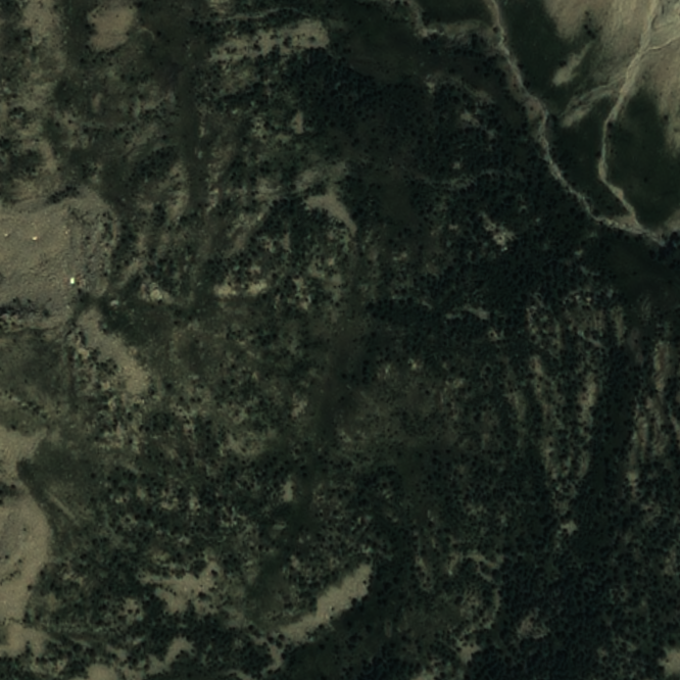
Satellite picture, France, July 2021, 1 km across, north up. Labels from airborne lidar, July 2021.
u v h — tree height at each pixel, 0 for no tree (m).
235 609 0
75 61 0
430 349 6
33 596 0
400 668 15
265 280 0
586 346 10
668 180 0
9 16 0
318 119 6
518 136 6
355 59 0
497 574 20
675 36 0
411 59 0
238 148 0
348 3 0
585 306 11
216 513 9
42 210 0
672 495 13
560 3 0
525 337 6
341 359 0
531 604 10
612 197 0
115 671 0
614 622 7
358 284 0
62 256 0
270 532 0
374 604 0
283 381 0
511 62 0
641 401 9
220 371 0
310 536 0
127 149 0
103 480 0
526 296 18
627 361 15
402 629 0
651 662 19
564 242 10
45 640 0
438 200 9
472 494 6
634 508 11
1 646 0
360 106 8
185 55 0
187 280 0
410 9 0
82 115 0
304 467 11
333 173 0
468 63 0
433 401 0
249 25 10
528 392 6
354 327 0
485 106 10
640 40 0
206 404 0
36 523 0
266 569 0
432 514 0
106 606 9
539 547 15
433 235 0
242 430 0
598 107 0
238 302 0
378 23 0
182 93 0
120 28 0
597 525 17
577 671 11
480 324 11
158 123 0
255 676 7
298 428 0
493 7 0
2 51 0
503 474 7
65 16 0
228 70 0
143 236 0
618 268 0
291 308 9
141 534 11
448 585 10
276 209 7
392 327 0
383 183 0
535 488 7
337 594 0
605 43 0
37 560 0
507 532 11
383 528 5
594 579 12
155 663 0
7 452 0
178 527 9
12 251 0
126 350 0
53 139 0
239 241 0
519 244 14
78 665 6
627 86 0
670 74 0
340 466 9
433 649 11
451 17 0
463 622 8
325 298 6
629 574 12
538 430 8
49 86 0
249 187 0
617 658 7
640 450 0
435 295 12
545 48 0
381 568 15
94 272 0
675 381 8
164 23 0
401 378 0
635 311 0
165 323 0
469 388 8
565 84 0
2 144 10
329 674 0
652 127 0
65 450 0
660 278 0
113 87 0
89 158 0
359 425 0
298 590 6
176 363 0
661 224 0
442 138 11
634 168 0
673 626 14
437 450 9
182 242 0
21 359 0
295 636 0
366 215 13
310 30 0
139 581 9
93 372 0
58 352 0
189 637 12
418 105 7
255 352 0
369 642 0
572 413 7
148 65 0
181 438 0
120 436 0
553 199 10
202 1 0
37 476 0
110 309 0
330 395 0
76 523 0
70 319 0
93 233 0
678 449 10
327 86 10
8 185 0
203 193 0
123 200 0
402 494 6
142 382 0
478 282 10
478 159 7
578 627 14
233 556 9
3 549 0
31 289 0
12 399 0
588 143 0
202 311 0
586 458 0
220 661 6
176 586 0
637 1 0
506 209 6
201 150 0
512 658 9
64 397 0
